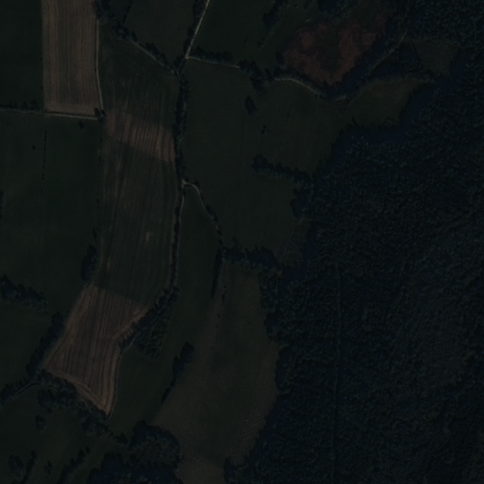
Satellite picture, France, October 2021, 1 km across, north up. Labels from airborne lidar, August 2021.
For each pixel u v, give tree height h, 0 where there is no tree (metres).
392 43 14
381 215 17
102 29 0
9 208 0
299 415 13
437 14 21
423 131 21
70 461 0
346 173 21
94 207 0
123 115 0
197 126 0
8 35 0
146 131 0
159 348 8
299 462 15
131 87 0
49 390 0
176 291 10
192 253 0
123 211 0
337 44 0
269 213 0
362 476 15
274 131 0
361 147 21
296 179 10
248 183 0
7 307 0
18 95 0
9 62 0
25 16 0
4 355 0
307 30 0
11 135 0
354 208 21
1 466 0
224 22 0
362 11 0
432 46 0
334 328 19
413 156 21
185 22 0
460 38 20
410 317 7
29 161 0
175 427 0
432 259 7
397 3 25
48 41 0
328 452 19
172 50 0
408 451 13
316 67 0
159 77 0
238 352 0
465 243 7
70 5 0
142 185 0
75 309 0
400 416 13
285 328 24
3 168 0
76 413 9
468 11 20
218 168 0
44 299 12
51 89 0
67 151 0
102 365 0
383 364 16
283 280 9
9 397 14
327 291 21
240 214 0
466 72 22
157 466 0
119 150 0
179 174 11
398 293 15
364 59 0
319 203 18
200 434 0
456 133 19
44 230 0
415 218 17
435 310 7
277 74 6
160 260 0
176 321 0
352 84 12
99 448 0
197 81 0
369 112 0
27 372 0
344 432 17
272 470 20
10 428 0
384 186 24
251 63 0
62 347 0
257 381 0
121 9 0
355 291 18
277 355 0
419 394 9
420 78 14
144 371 0
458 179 17
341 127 0
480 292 25
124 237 0
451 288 13
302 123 0
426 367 7
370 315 17
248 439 0
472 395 19
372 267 18
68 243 0
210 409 0
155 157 0
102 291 0
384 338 12
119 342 0
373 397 9
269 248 0
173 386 8
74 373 0
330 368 14
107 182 0
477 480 11
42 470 0
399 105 0
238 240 0
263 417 0
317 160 0
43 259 0
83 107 0
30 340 0
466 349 14
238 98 0
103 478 11
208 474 0
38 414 0
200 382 0
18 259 0
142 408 0
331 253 21
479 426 17
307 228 0
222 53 0
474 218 6
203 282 0
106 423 16
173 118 0
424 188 22
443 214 18
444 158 16
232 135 0
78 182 0
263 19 0
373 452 9
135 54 0
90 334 0
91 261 11
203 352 0
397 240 17
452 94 22
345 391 14
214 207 0
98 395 0
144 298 0
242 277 0
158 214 0
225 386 0
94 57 0
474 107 21
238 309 0
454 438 17
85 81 0
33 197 0
